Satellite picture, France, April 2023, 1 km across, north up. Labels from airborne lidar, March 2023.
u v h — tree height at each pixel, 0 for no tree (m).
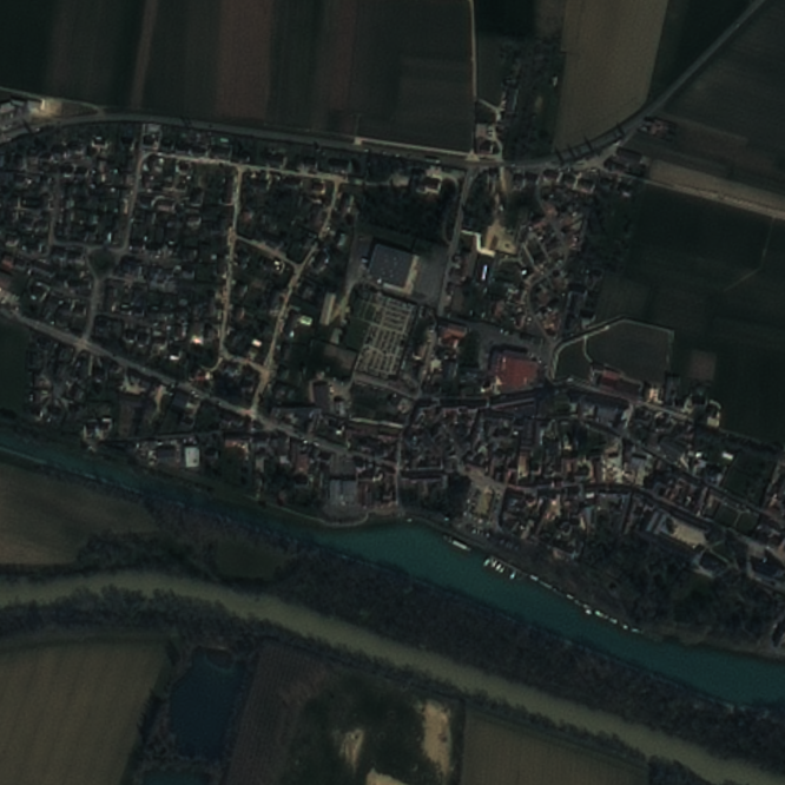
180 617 16
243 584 15
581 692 18
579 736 13
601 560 16
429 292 0
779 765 19
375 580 21
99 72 0
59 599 0
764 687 0
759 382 0
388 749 0
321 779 0
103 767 0
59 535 0
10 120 0
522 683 16
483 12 0
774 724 14
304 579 20
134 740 0
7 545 0
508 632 20
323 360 0
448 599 17
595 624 0
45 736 0
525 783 0
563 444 7
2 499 0
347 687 0
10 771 0
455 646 17
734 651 0
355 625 17
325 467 9
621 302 0
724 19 0
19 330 0
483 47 0
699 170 0
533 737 0
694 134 0
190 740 0
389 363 0
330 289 14
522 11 0
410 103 0
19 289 0
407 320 0
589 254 15
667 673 0
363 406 0
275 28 0
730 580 18
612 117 0
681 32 0
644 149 0
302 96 0
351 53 0
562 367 0
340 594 20
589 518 0
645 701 18
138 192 0
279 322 0
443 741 0
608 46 0
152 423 22
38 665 0
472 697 15
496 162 0
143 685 0
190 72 0
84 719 0
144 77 0
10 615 8
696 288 0
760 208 0
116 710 0
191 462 0
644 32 0
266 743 16
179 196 0
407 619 20
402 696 0
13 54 0
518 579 0
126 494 17
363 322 0
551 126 0
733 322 0
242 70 0
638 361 0
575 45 0
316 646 13
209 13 0
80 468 0
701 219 0
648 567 6
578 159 18
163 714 28
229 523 31
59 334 0
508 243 0
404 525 0
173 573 20
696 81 0
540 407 0
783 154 0
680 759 0
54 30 0
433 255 8
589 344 0
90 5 0
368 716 0
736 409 0
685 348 0
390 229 6
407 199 5
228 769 11
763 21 0
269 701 18
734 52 0
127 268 0
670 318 0
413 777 0
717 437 10
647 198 0
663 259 0
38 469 6
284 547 25
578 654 16
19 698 0
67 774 0
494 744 0
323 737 0
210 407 13
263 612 0
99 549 17
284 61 0
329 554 13
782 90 0
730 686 0
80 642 0
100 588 0
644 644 0
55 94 0
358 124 0
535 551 15
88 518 0
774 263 0
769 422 0
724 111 0
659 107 0
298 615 0
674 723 13
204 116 0
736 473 0
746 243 0
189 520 23
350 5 0
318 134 0
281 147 0
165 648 0
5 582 20
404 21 0
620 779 0
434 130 0
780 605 0
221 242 14
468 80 0
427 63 0
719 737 11
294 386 0
